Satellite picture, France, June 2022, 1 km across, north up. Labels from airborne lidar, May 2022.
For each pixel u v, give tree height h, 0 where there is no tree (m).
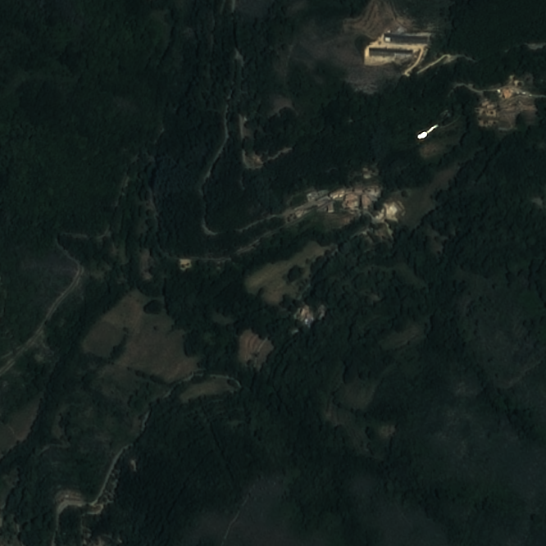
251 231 12
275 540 0
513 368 0
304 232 10
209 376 12
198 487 14
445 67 17
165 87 13
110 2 10
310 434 13
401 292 20
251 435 18
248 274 11
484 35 18
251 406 15
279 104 0
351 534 14
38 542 10
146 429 10
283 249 19
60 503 0
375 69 0
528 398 0
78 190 18
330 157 17
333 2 0
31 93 15
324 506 12
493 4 19
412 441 6
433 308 9
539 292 10
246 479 6
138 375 11
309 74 0
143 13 17
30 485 14
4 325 7
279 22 7
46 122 16
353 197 0
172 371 0
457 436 0
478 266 16
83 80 12
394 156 10
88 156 18
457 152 21
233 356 16
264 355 0
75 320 12
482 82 12
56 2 13
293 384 18
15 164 14
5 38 6
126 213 13
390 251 8
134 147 22
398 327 14
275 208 27
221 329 18
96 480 0
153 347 0
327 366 19
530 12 18
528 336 6
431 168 21
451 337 24
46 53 6
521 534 0
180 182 29
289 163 16
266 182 20
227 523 0
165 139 14
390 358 6
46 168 10
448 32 12
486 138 21
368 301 13
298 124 14
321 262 9
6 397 9
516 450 0
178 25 10
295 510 5
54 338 11
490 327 0
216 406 9
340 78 0
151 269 15
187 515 12
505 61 23
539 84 10
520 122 9
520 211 9
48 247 7
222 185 11
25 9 10
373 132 25
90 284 11
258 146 14
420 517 0
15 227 9
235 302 13
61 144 15
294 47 0
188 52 9
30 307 6
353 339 14
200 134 19
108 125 19
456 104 20
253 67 9
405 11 0
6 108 18
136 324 0
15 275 10
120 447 0
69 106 12
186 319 19
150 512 11
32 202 19
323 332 20
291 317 9
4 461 18
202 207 22
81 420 0
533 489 0
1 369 0
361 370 12
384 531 0
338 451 8
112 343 0
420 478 7
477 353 7
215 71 12
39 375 13
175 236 17
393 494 9
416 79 18
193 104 16
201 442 11
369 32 0
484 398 12
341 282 8
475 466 0
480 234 15
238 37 17
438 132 12
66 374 14
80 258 13
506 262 15
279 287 0
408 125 6
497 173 14
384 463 16
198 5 8
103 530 9
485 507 8
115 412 6
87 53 13
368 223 16
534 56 12
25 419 0
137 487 9
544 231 16
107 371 0
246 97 11
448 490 9
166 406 14
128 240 13
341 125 17
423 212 0
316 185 8
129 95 15
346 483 8
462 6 13
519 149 17
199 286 13
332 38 0
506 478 0
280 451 18
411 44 0
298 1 0
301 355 17
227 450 14
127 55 14
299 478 7
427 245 17
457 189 10
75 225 15
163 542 9
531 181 20
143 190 12
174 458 18
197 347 23
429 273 23
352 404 0
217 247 8
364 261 11
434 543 0
